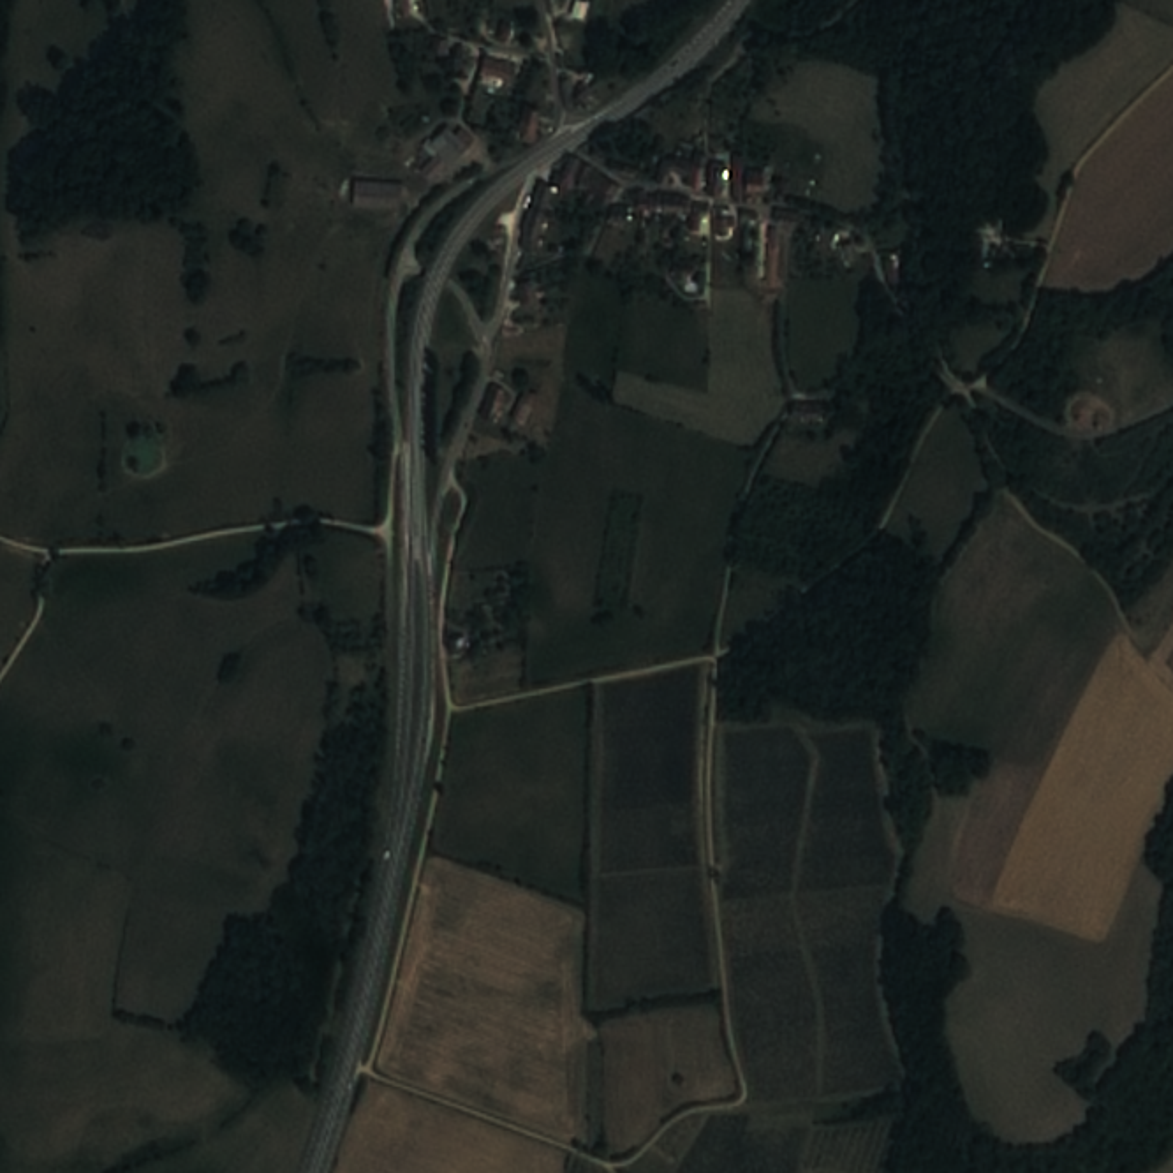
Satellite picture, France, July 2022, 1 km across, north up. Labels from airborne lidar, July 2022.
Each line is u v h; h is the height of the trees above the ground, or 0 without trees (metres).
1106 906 0
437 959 0
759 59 13
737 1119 0
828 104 0
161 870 0
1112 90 0
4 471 0
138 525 0
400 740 0
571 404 0
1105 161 0
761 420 0
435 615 0
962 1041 0
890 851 0
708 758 0
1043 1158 8
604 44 27
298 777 0
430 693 0
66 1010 0
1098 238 0
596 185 0
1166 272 14
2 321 15
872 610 24
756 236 6
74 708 0
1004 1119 0
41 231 12
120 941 0
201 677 0
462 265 0
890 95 16
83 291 0
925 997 18
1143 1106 10
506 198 0
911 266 18
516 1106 0
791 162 0
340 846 22
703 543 0
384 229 0
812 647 27
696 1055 0
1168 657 0
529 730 0
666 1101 0
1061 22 16
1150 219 0
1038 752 0
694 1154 0
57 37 0
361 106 0
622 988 0
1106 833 0
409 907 0
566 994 0
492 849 0
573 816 0
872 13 12
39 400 0
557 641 0
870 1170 0
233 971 20
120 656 0
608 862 0
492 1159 0
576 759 0
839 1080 0
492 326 0
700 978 0
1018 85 17
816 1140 0
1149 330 0
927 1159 16
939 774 14
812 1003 0
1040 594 0
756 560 9
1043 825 0
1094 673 0
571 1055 0
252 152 0
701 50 0
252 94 0
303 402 0
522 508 0
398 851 0
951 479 0
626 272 6
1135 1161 12
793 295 0
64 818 0
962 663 0
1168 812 8
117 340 0
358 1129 0
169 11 24
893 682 23
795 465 0
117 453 0
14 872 0
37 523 0
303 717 0
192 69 0
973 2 19
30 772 0
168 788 0
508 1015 0
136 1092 0
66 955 0
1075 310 8
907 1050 17
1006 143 24
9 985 0
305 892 13
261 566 10
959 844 0
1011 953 0
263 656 0
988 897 0
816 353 0
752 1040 0
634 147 11
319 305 0
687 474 0
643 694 0
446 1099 0
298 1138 0
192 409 0
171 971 0
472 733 0
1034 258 13
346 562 0
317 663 0
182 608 0
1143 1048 10
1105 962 0
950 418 0
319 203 0
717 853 0
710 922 0
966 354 0
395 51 10
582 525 0
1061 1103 0
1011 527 0
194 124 0
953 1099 20
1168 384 0
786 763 0
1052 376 16
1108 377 0
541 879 0
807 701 15
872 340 12
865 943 0
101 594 0
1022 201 19
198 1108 0
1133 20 0
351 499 0
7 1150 0
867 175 0
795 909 0
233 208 0
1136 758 0
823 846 0
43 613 0
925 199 22
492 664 0
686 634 0
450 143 0
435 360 25
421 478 0
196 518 0
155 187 15
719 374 0
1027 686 0
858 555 11
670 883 0
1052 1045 0
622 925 0
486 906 0
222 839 0
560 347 0
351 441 0
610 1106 0
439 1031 0
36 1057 0
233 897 0
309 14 0
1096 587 0
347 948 11
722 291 0
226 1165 0
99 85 19
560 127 0
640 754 0
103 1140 0
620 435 0
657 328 0
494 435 0
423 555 0
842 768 0
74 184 23
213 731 0
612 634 0
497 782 0
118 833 0
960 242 16
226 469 0
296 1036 22
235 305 0
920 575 17
